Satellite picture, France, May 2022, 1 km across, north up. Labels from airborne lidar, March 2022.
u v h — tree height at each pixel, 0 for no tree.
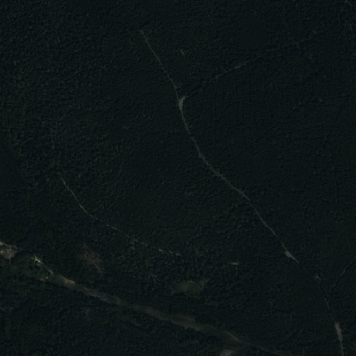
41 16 8
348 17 16
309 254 16
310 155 19
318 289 15
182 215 8
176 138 12
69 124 8
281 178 17
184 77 10
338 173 17
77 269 7
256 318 20
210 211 7
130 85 11
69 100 21
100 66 13
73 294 16
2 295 24
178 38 9
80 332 21
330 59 21
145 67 10
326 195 17
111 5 10
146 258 14
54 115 11
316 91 21
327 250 10
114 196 9
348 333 21
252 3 13
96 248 15
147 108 9
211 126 17
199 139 11
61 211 19
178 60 9
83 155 17
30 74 24
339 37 18
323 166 18
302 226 16
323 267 10
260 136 15
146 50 9
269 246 19
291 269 22
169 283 30
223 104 16
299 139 22
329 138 17
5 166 25
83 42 19
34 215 25
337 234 10
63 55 21
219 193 8
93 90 8
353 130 16
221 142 17
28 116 15
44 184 26
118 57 13
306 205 13
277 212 18
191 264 22
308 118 23
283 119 20
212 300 24
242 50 10
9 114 24
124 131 9
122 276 19
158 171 8
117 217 6
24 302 24
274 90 20
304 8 14
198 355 11
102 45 28
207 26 9
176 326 13
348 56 20
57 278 0
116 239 9
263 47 10
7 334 21
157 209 6
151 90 12
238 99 17
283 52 20
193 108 9
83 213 9
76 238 18
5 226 11
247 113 14
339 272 9
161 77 9
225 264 21
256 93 17
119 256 14
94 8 13
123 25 17
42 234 25
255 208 15
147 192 6
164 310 7
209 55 12
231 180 11
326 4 12
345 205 17
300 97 22
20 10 25
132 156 7
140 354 23
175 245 10
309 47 28
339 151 19
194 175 10
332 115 18
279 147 15
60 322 14
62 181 8
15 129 28
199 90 12
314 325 11
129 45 13
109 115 17
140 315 12
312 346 14
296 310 12
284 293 14
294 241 19
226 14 19
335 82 21
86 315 18
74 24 13
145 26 16
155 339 23
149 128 8
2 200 10
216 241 11
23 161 19
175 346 22
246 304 14
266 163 16
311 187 19
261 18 7
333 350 12
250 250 14
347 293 11
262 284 23
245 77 15
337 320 17
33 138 23
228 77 10
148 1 21
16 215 10
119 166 10
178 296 17
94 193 7
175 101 9
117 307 18
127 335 29
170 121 8
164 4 16
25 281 20
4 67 7
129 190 8
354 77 18
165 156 11
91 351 21
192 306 21
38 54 24
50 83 22
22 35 23
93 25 11
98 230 17
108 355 17
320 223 16
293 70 11
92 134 10
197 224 9
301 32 10
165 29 14
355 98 14
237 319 24
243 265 15
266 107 19
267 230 23
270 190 19
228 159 17
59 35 21
